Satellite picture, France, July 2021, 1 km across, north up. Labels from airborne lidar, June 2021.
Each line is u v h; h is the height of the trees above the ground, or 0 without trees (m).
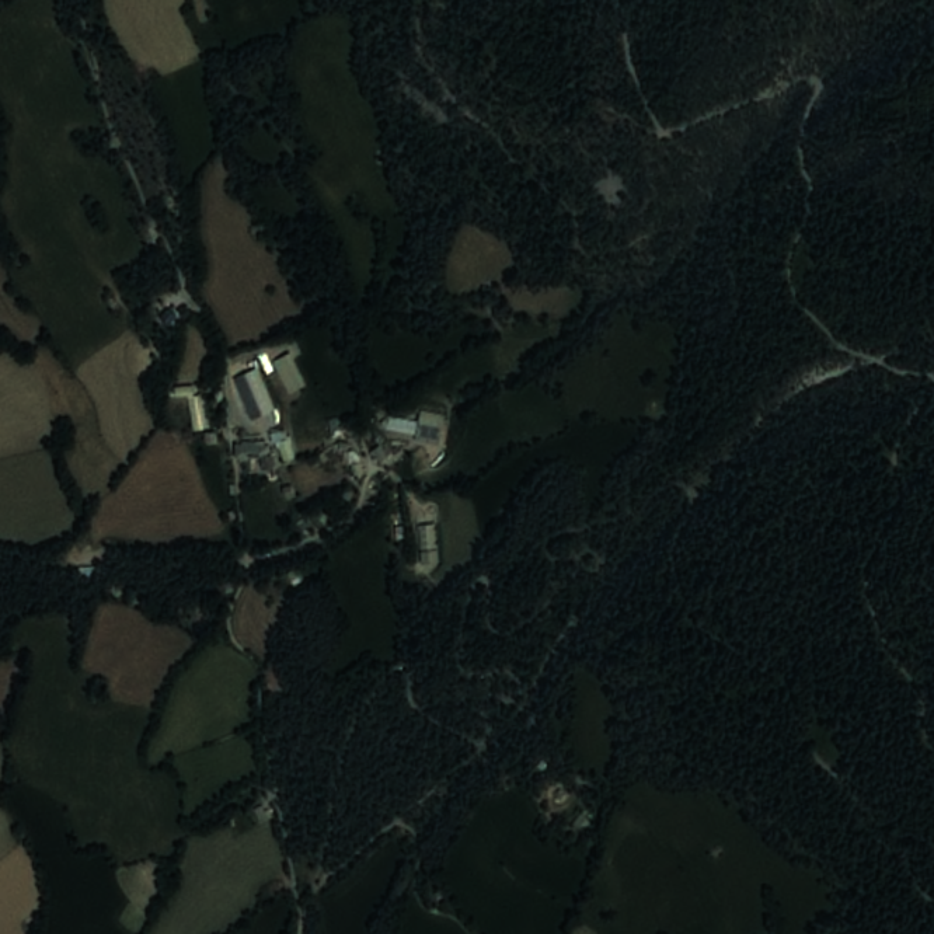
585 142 17
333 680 9
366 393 23
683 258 10
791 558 26
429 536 0
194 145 0
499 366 0
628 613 24
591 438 0
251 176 12
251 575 16
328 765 14
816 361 10
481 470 7
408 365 0
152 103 8
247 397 0
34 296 0
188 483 0
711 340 20
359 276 0
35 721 0
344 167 0
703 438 19
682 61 15
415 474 0
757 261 14
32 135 0
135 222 13
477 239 0
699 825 0
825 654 26
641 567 18
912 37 16
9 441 0
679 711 27
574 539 15
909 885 18
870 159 9
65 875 0
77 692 0
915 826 21
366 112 0
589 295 20
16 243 17
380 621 0
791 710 28
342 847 10
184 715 0
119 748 0
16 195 0
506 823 0
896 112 10
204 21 0
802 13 19
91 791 0
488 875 0
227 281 0
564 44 27
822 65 11
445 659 20
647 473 17
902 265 8
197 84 0
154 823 0
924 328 6
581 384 0
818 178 13
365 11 20
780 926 14
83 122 0
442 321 14
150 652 0
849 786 21
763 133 12
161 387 15
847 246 14
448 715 12
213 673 0
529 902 0
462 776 14
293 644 16
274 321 0
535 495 22
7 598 20
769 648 25
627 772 16
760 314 14
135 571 15
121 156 14
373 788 14
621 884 0
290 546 8
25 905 0
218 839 0
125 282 13
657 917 0
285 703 10
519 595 14
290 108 17
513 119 19
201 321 16
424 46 21
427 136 12
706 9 15
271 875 0
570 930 14
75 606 19
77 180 0
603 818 16
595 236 12
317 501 16
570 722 6
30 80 0
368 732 9
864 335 14
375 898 0
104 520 0
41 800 0
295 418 0
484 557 20
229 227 0
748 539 22
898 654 22
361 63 14
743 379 14
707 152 7
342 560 0
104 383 0
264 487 7
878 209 19
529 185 6
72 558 0
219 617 15
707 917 0
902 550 22
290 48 17
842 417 15
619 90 12
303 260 22
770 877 0
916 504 20
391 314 20
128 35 0
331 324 19
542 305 0
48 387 0
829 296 16
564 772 18
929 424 21
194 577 18
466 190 8
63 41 0
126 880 0
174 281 12
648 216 6
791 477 15
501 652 17
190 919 0
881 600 23
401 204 16
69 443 13
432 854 14
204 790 0
